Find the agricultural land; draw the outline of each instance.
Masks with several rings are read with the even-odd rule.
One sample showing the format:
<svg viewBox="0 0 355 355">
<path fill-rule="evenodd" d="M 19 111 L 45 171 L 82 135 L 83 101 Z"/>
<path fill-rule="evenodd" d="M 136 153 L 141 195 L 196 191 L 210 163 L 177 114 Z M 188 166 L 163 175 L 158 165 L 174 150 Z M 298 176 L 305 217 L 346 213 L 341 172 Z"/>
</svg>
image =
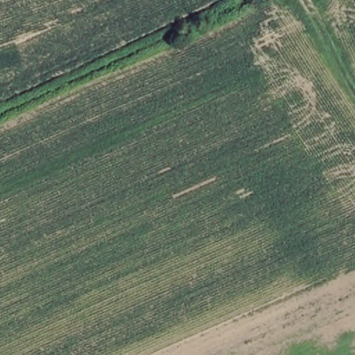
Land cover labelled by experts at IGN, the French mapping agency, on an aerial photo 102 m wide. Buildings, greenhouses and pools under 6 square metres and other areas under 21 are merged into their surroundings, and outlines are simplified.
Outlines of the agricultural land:
<svg viewBox="0 0 355 355">
<path fill-rule="evenodd" d="M 345 331 L 337 340 L 327 341 L 326 344 L 322 343 L 322 336 L 316 336 L 313 330 L 330 326 L 349 316 L 347 312 L 338 311 L 336 308 L 338 302 L 349 300 L 347 294 L 333 298 L 333 294 L 324 293 L 318 300 L 305 302 L 293 311 L 284 313 L 283 329 L 294 326 L 304 318 L 308 318 L 312 323 L 306 329 L 280 337 L 279 340 L 254 348 L 243 355 L 355 355 L 355 331 Z"/>
<path fill-rule="evenodd" d="M 0 355 L 148 355 L 194 336 L 198 331 L 218 326 L 226 320 L 237 323 L 251 318 L 272 306 L 284 304 L 309 293 L 337 279 L 338 275 L 348 275 L 355 270 L 355 105 L 312 46 L 304 25 L 295 19 L 293 12 L 287 7 L 272 4 L 270 11 L 263 8 L 220 28 L 218 31 L 205 33 L 187 49 L 171 47 L 166 53 L 137 61 L 135 65 L 101 72 L 97 78 L 64 90 L 57 96 L 36 104 L 31 110 L 12 116 L 0 126 Z"/>
<path fill-rule="evenodd" d="M 352 69 L 355 72 L 355 0 L 330 0 L 327 10 L 334 15 L 331 28 L 351 58 Z"/>
<path fill-rule="evenodd" d="M 147 37 L 154 36 L 155 31 L 172 24 L 176 17 L 186 18 L 189 12 L 202 10 L 204 10 L 216 1 L 220 4 L 227 0 L 0 0 L 0 105 L 10 103 L 12 96 L 32 87 L 39 89 L 37 86 L 42 82 L 50 85 L 50 79 L 55 76 L 62 78 L 67 73 L 78 72 L 87 65 L 104 60 L 126 43 L 136 40 L 139 43 Z"/>
</svg>

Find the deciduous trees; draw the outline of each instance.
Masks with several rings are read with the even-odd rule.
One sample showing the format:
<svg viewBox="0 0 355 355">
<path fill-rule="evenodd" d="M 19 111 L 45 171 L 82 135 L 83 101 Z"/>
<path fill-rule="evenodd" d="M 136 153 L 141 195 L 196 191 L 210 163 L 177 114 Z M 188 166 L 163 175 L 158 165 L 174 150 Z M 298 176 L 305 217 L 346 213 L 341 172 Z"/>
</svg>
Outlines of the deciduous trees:
<svg viewBox="0 0 355 355">
<path fill-rule="evenodd" d="M 184 24 L 179 36 L 168 43 L 171 47 L 187 49 L 205 33 L 218 31 L 220 28 L 218 18 L 212 17 L 211 11 L 204 10 L 202 10 L 200 25 L 196 26 L 193 22 Z"/>
</svg>

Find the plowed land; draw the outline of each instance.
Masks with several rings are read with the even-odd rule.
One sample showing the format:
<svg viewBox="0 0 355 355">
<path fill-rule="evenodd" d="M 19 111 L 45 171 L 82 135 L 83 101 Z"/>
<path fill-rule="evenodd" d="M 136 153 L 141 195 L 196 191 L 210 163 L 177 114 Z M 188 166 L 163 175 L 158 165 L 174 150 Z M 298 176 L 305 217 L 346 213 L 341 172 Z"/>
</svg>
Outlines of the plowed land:
<svg viewBox="0 0 355 355">
<path fill-rule="evenodd" d="M 324 293 L 333 294 L 333 298 L 347 294 L 349 300 L 338 302 L 336 308 L 338 311 L 347 312 L 349 316 L 330 326 L 313 330 L 316 336 L 322 336 L 322 343 L 326 344 L 327 341 L 337 340 L 345 331 L 355 331 L 355 270 L 348 275 L 338 275 L 337 279 L 309 293 L 284 304 L 272 306 L 251 318 L 237 323 L 226 320 L 218 326 L 198 331 L 194 336 L 148 355 L 243 355 L 254 348 L 279 340 L 280 337 L 306 329 L 312 323 L 308 318 L 304 318 L 294 326 L 283 329 L 284 313 L 293 311 L 305 302 L 318 300 Z"/>
</svg>

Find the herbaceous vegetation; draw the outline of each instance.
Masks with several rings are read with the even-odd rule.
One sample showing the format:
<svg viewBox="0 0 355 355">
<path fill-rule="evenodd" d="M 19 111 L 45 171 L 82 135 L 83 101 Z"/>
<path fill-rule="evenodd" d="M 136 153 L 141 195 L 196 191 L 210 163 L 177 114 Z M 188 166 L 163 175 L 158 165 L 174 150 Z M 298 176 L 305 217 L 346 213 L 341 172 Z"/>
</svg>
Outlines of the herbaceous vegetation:
<svg viewBox="0 0 355 355">
<path fill-rule="evenodd" d="M 263 8 L 270 11 L 272 4 L 287 7 L 293 12 L 295 19 L 304 25 L 312 46 L 355 105 L 355 72 L 352 69 L 351 58 L 331 28 L 334 15 L 327 10 L 330 0 L 227 0 L 220 4 L 216 1 L 204 10 L 211 11 L 212 17 L 218 18 L 220 28 Z"/>
<path fill-rule="evenodd" d="M 37 86 L 39 89 L 32 87 L 12 96 L 10 103 L 0 105 L 0 126 L 12 116 L 31 110 L 36 104 L 57 96 L 64 90 L 97 78 L 101 72 L 135 65 L 137 61 L 166 53 L 171 47 L 168 43 L 179 36 L 184 24 L 193 22 L 196 26 L 200 25 L 202 10 L 189 12 L 186 18 L 176 17 L 172 24 L 155 31 L 154 36 L 147 37 L 139 43 L 136 40 L 126 43 L 104 60 L 87 65 L 78 72 L 67 73 L 62 78 L 55 76 L 50 79 L 50 85 L 42 82 Z"/>
</svg>

